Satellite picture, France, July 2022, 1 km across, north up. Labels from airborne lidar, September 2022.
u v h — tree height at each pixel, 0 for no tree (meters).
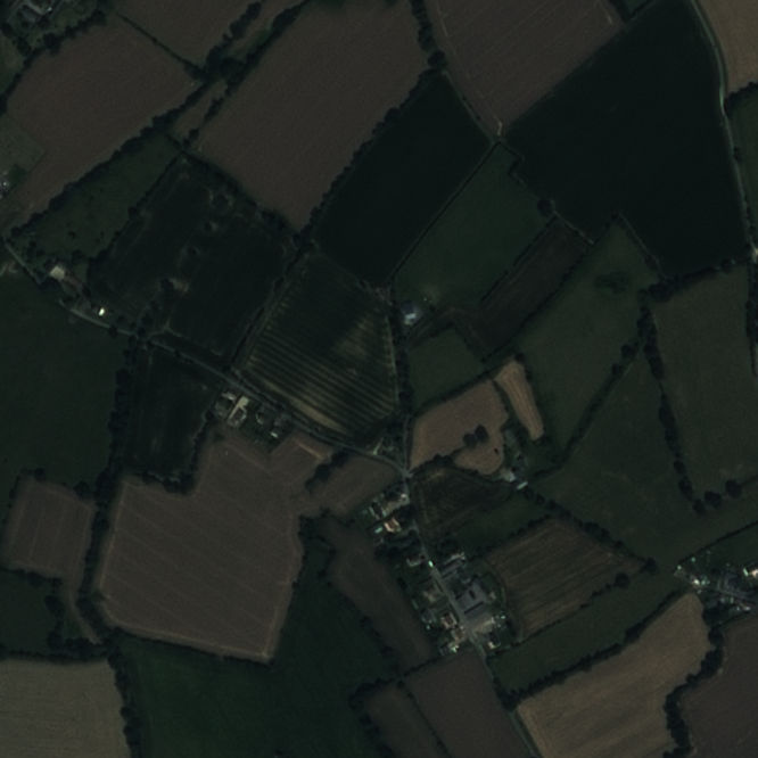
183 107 11
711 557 0
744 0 0
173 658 0
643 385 0
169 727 0
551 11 0
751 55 0
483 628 0
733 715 0
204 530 0
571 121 0
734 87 0
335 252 0
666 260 0
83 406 0
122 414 20
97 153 0
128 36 0
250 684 0
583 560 0
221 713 0
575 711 0
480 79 0
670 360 0
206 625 0
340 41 0
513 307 0
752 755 0
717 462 0
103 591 0
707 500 13
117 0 0
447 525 0
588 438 0
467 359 0
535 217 0
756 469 0
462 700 0
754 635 0
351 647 0
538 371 0
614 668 0
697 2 0
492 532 0
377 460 0
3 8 9
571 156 0
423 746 0
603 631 0
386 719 0
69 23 0
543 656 0
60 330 0
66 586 0
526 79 0
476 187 0
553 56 0
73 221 0
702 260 0
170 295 21
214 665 0
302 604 0
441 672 0
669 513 0
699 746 0
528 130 0
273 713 0
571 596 0
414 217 0
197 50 0
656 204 0
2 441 0
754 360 6
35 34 0
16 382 0
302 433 0
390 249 0
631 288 0
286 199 0
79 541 0
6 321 0
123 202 0
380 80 0
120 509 0
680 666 0
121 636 12
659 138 0
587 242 7
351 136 0
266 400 9
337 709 0
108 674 0
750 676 0
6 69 0
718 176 0
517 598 0
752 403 0
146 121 0
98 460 0
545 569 0
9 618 0
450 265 0
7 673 0
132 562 0
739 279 0
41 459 0
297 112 0
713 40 0
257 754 0
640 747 0
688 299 0
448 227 0
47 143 0
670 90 0
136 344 9
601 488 0
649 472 0
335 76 0
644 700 0
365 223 0
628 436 0
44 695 0
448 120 0
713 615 14
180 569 0
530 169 0
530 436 0
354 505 0
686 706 0
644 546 0
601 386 0
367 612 0
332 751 0
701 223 0
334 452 0
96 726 0
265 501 0
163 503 0
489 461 0
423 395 0
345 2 0
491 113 0
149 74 0
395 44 0
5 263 0
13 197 0
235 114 0
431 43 13
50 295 22
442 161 0
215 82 8
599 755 0
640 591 0
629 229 7
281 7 0
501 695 16
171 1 0
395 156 0
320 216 16
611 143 0
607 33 0
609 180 0
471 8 0
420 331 0
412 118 0
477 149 0
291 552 0
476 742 0
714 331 0
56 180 0
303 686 0
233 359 7
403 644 0
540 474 7
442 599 0
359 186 0
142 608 0
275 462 0
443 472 0
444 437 0
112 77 0
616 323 0
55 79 0
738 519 0
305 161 0
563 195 0
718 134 0
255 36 0
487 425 0
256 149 0
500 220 0
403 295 0
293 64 0
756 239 6
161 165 0
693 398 0
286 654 0
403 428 11
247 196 0
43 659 8
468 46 0
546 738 0
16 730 0
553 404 0
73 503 0
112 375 0
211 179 16
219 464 0
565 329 0
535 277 0
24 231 10
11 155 0
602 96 0
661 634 0
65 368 0
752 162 0
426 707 0
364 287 7
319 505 0
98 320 0
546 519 7
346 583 0
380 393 0
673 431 14
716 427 0
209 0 0
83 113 0
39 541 0
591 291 0
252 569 0
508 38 0
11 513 0
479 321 0
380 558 11
